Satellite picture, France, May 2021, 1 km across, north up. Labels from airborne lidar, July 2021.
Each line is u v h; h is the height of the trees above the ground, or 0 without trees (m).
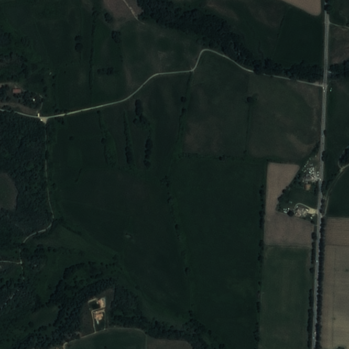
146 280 0
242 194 0
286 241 0
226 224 0
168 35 0
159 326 12
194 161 0
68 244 0
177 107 0
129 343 0
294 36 0
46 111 0
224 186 0
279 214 0
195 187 0
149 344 0
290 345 0
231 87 0
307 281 0
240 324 0
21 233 6
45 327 13
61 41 0
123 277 0
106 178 0
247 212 0
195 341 16
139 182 0
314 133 0
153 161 0
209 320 0
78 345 0
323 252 17
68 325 11
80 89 0
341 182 0
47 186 13
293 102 0
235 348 0
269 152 0
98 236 0
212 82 0
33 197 13
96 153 0
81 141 0
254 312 0
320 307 22
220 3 0
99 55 0
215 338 7
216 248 0
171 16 29
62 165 0
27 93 14
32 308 8
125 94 0
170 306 0
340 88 0
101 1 0
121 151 0
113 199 0
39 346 11
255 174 0
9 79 11
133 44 0
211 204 0
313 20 0
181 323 0
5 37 8
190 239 0
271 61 27
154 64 0
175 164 0
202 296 0
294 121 0
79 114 0
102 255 0
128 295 14
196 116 0
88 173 0
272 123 0
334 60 0
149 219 0
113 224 0
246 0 0
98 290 13
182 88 0
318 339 25
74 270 13
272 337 0
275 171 0
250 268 0
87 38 0
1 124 13
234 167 0
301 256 0
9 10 0
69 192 0
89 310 0
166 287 0
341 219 0
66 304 17
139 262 0
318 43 0
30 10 0
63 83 0
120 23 0
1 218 9
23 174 11
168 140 0
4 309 12
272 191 0
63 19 0
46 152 6
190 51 0
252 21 0
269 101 0
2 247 8
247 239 0
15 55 10
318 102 0
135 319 17
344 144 0
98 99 0
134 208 0
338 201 0
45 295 0
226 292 0
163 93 0
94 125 0
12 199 0
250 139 0
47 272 0
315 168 0
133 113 0
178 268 0
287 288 0
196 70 0
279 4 0
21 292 7
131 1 0
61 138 0
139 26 0
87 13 0
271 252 0
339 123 0
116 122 0
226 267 0
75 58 0
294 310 0
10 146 8
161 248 0
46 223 9
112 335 0
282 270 0
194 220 0
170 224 0
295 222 0
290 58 0
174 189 0
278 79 0
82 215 0
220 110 0
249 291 0
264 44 0
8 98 10
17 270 0
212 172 0
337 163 0
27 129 6
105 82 0
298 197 0
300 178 13
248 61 17
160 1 23
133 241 0
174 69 0
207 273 0
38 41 0
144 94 0
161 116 0
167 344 0
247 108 0
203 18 21
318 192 10
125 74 0
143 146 0
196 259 0
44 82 10
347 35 0
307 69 19
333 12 13
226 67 0
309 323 12
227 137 0
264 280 0
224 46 15
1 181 0
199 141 0
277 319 0
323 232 21
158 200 0
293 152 0
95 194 0
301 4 0
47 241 0
